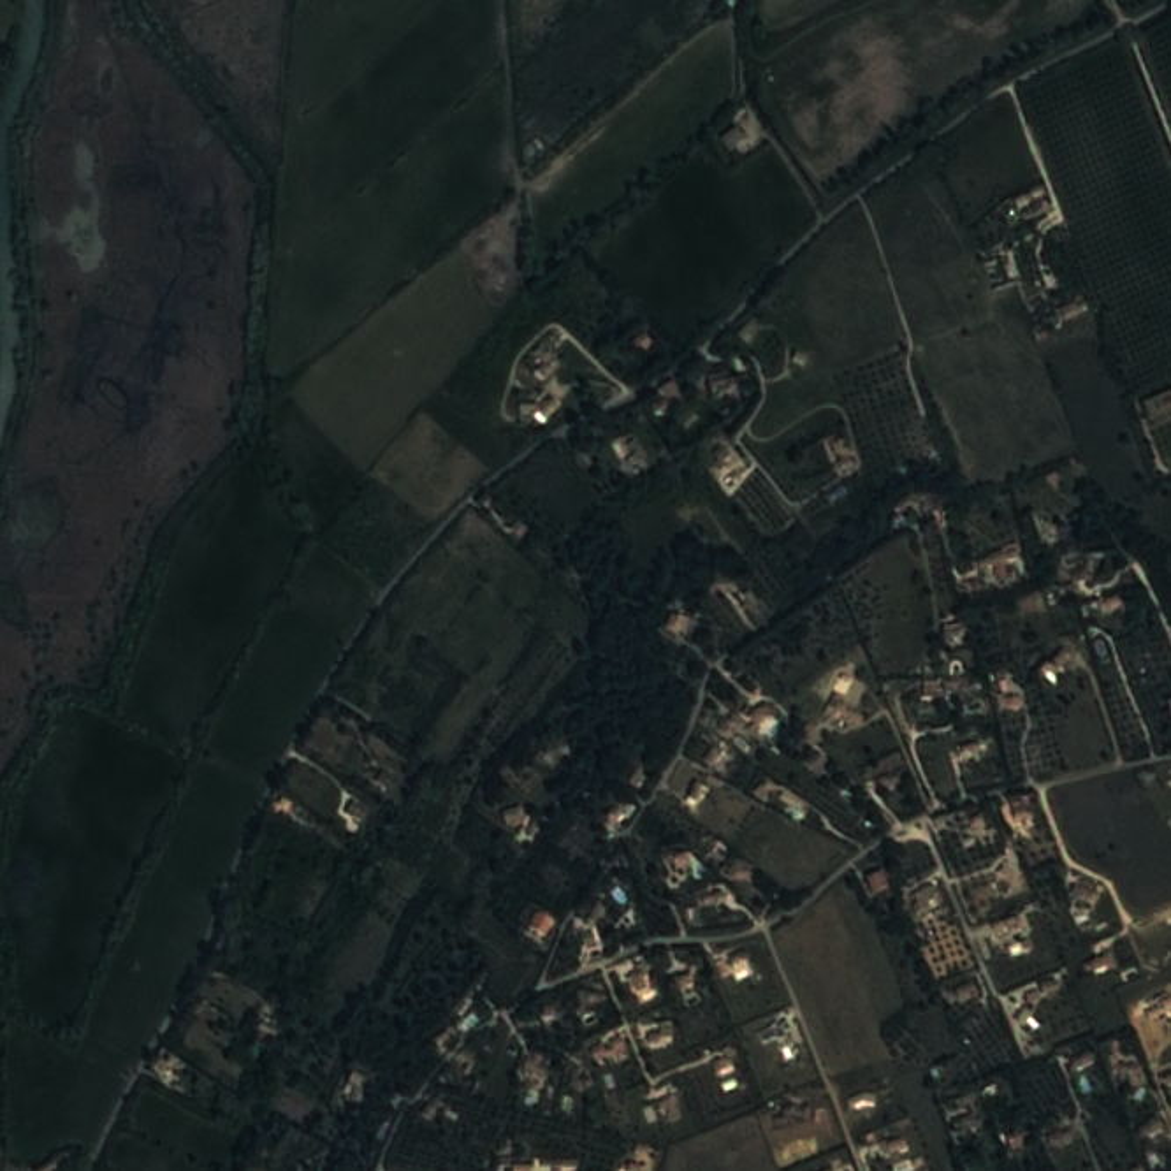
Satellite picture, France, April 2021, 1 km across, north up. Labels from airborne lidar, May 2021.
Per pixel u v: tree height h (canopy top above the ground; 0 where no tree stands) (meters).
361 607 0
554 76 0
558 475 0
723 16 9
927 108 13
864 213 0
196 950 0
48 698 10
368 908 6
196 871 0
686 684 9
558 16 0
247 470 0
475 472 0
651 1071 8
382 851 8
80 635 0
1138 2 9
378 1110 12
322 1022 9
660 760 13
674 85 0
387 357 0
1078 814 0
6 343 0
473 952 10
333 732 0
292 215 0
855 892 10
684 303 0
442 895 8
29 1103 0
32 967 0
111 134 0
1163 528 0
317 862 6
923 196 0
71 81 0
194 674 0
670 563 15
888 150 12
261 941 18
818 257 0
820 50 0
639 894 9
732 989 0
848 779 11
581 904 9
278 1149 11
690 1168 0
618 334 9
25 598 0
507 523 8
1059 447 0
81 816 0
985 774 7
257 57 0
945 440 11
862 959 0
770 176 0
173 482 0
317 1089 9
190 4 0
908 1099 0
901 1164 0
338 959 0
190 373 0
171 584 0
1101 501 9
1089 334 0
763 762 8
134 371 0
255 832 13
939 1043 0
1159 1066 0
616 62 0
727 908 8
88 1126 0
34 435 0
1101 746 0
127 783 0
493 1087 0
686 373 15
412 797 14
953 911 0
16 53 16
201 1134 0
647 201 15
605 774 15
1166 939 0
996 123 0
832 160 0
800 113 0
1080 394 0
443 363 0
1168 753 9
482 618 0
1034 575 8
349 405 0
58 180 0
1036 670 6
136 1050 0
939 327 0
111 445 0
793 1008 0
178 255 0
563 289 12
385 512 0
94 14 0
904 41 0
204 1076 7
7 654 0
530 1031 9
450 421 0
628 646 17
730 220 0
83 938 0
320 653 0
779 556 9
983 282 0
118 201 0
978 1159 16
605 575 16
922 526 9
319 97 0
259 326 9
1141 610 9
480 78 0
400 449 0
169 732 0
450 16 0
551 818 13
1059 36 9
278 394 13
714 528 0
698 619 6
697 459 7
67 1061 0
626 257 0
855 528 13
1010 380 0
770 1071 0
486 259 0
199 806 0
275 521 0
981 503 8
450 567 0
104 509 0
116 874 0
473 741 7
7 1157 7
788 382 0
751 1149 0
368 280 0
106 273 0
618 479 8
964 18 0
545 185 0
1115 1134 0
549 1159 0
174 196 0
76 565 0
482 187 0
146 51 0
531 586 0
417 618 0
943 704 12
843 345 0
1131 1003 0
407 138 0
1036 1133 9
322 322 0
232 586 0
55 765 0
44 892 0
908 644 0
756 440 0
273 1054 12
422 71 0
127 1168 0
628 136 0
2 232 0
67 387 0
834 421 0
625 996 11
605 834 10
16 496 0
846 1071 0
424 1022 7
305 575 0
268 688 0
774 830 0
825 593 9
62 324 0
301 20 0
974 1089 7
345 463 0
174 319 0
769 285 8
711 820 0
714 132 8
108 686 6
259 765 0
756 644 9
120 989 0
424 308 0
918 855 0
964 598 7
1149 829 0
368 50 0
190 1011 11
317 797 0
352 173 0
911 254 0
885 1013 0
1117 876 0
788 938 0
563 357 8
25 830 0
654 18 0
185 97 0
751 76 8
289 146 0
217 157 0
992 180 0
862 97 0
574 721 12
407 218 0
